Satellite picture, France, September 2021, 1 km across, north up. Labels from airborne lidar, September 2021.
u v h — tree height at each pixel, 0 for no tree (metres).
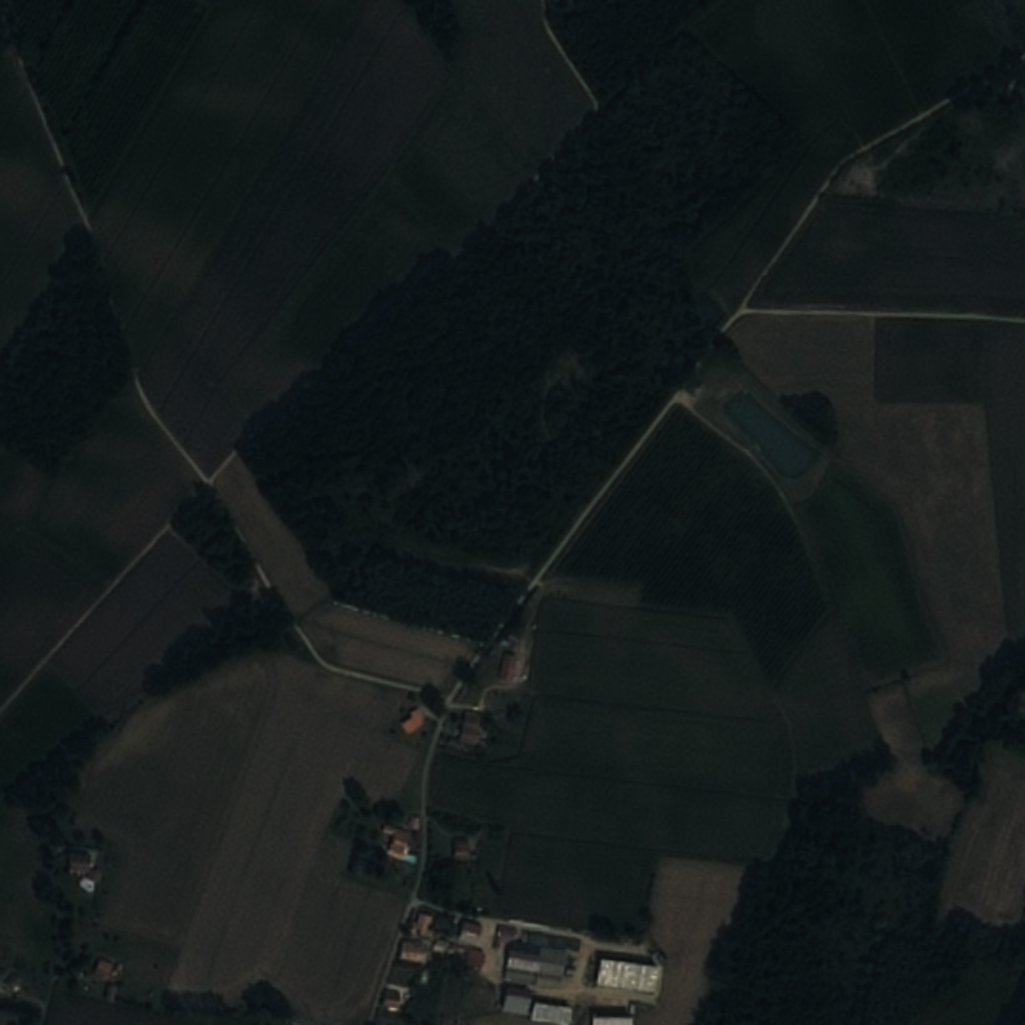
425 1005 0
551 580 0
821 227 0
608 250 14
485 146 0
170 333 0
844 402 0
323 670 0
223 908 0
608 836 0
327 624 0
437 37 17
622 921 0
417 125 0
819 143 0
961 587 0
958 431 0
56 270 7
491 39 0
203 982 0
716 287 0
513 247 15
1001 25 0
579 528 0
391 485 11
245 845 0
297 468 21
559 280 9
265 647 21
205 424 0
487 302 15
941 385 0
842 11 0
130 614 0
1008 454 0
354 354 20
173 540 0
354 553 16
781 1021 12
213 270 0
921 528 0
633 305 7
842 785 22
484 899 0
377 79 0
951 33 0
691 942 0
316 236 0
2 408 18
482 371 21
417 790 0
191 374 0
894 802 0
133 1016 0
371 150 0
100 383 20
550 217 13
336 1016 0
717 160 11
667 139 11
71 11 8
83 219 0
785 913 17
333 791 0
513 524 8
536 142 0
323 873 0
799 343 0
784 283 0
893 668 0
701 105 14
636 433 6
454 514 13
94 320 22
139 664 0
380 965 0
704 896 0
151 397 0
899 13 0
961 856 0
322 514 16
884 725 0
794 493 0
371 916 0
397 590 20
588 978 0
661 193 6
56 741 0
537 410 16
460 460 18
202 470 0
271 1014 20
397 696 0
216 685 0
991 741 23
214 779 0
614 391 8
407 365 16
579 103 0
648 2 15
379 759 0
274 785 0
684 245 21
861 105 0
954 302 0
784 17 0
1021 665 19
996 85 12
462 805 0
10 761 0
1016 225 0
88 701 0
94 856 0
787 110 0
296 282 0
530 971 0
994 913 0
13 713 0
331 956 0
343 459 15
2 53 10
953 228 0
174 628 0
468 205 0
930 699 0
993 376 0
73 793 12
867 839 9
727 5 0
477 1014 0
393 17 0
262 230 0
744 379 0
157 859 0
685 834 0
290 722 0
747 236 0
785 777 0
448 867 7
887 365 0
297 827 0
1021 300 0
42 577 0
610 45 17
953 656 0
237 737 0
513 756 0
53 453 11
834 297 0
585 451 9
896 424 0
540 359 15
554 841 0
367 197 0
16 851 0
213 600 0
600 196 14
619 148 13
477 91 0
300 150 0
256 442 21
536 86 0
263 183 0
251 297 0
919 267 0
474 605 21
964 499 0
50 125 7
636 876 0
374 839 9
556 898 0
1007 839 0
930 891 13
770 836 0
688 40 14
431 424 17
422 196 0
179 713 0
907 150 0
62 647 0
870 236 0
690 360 10
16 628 0
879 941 6
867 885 19
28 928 0
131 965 0
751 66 0
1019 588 0
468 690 20
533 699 0
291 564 0
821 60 0
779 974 17
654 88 14
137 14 9
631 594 0
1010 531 0
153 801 0
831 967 8
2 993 0
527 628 0
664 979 0
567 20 15
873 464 0
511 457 23
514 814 0
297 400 19
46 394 19
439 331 20
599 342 14
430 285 24
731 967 15
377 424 22
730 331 0
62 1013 0
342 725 0
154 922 0
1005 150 0
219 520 11
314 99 0
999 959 11
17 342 12
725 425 0
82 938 0
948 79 0
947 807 0
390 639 0
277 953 0
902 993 13
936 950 14
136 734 0
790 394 0
